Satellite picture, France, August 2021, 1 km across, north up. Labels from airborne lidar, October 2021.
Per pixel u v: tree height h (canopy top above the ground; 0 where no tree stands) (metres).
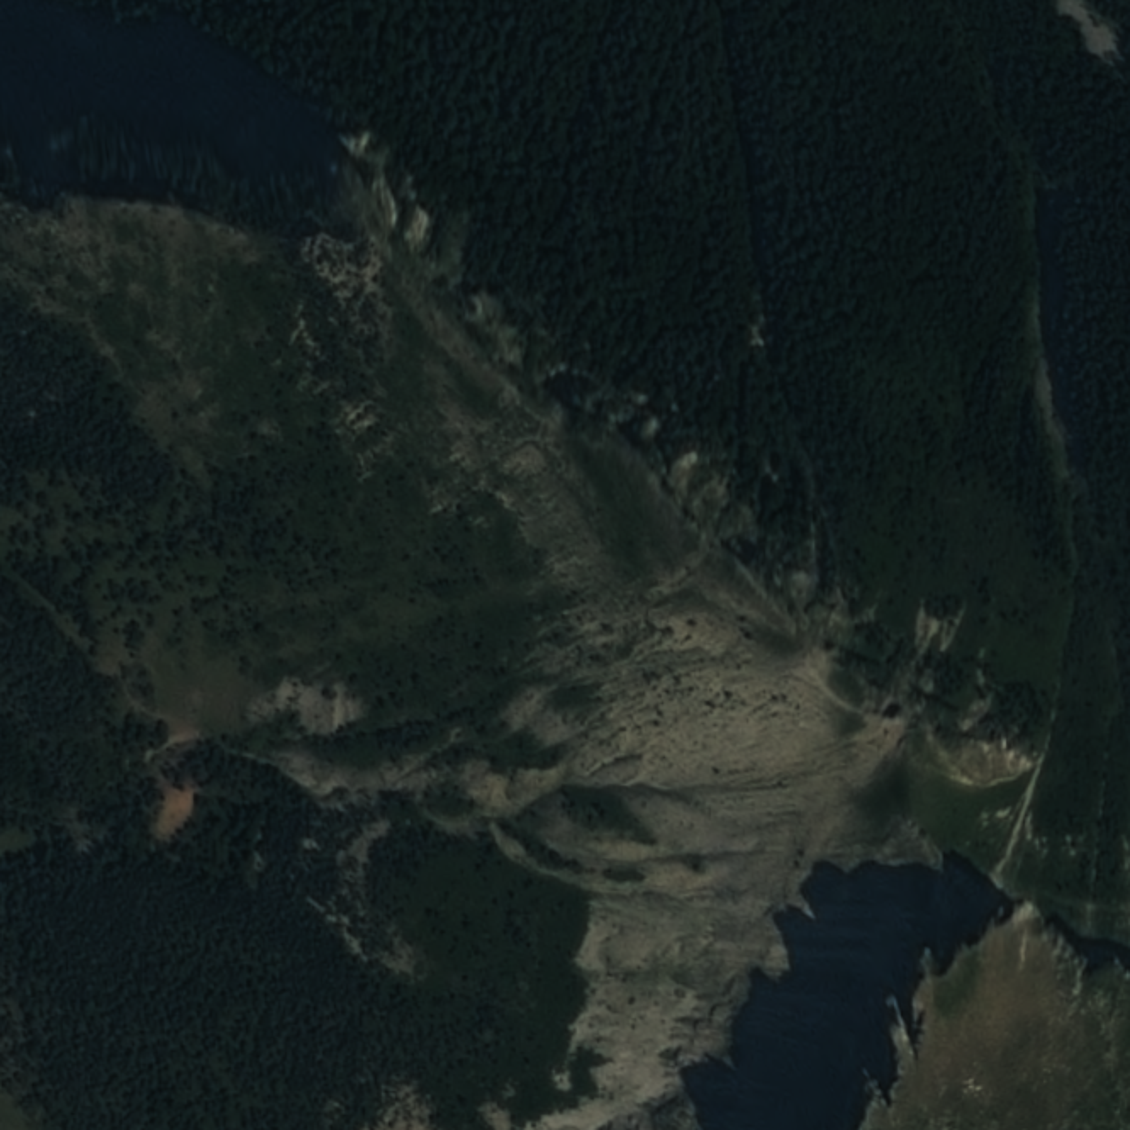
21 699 7
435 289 9
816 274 17
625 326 8
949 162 20
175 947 9
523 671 0
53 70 14
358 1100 6
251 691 0
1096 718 0
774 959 0
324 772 0
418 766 0
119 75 24
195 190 8
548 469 0
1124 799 0
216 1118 9
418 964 0
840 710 0
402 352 0
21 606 9
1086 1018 0
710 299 15
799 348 15
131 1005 12
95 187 7
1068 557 9
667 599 0
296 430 0
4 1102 0
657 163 28
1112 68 11
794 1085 0
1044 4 18
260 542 7
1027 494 7
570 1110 0
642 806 0
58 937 9
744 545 0
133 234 0
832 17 26
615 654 0
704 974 0
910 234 15
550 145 25
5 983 8
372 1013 6
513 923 7
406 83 10
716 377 21
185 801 0
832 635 0
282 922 6
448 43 32
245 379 0
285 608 0
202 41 21
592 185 20
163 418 0
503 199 16
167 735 10
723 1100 0
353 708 0
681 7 24
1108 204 24
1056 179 11
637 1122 0
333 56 22
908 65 27
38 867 12
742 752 0
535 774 0
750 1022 0
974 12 14
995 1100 0
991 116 24
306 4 19
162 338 0
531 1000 0
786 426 6
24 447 17
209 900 8
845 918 0
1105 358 20
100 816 8
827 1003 0
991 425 10
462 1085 0
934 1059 0
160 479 11
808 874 0
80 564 12
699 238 18
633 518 0
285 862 8
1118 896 0
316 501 0
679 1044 0
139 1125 7
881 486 6
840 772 0
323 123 9
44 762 9
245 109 6
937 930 0
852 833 0
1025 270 9
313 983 7
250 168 0
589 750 0
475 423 0
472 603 0
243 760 7
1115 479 6
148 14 26
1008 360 14
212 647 0
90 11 18
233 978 9
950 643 0
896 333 8
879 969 0
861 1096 0
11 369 7
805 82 22
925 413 8
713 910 0
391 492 7
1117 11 16
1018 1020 0
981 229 17
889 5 25
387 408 0
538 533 0
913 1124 0
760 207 10
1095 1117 0
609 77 22
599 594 0
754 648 0
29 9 8
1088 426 17
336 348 6
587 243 24
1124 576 8
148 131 12
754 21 29
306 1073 7
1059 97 23
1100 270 20
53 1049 14
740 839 0
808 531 11
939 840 0
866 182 20
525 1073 0
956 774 0
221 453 0
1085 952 0
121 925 8
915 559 9
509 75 25
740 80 20
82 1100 7
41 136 9
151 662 0
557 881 0
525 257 9
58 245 0
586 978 0
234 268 0
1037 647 0
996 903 0
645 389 10
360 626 0
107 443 8
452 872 0
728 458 7
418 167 19
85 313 0
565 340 9
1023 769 0
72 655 8
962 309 17
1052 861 0
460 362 0
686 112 14
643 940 0
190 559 0
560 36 25
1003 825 0
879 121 16
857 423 10
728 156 15
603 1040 0
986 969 0
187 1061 10
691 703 0
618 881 0
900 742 0
